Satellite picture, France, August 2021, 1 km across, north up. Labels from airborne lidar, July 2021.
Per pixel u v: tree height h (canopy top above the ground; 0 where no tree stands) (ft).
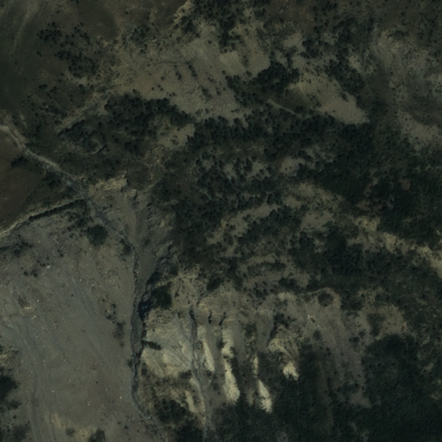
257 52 0
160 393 0
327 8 37
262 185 29
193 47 0
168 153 0
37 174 0
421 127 0
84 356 0
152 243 0
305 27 0
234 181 42
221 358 0
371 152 21
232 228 39
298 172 29
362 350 0
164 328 0
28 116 0
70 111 0
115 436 0
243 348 0
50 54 0
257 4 40
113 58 0
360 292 0
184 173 0
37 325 0
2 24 0
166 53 0
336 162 47
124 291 0
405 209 29
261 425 21
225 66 0
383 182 35
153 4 0
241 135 51
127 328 0
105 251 0
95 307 0
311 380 26
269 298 0
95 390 0
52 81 0
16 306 0
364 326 0
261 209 0
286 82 53
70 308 0
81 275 0
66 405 0
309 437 47
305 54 40
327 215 0
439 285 22
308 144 47
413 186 30
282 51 24
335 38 26
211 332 0
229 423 32
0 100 0
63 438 0
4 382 43
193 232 28
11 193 0
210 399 0
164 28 0
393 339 19
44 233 0
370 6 0
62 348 0
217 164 40
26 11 0
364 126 23
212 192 46
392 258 27
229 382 0
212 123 37
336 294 0
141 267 0
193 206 23
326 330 0
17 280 0
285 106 0
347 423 20
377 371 22
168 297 31
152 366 0
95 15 0
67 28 0
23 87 0
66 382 0
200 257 0
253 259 0
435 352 27
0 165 0
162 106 30
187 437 42
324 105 0
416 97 23
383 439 25
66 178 0
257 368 0
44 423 0
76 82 0
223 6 23
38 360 0
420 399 53
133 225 0
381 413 41
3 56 0
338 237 28
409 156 26
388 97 0
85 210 32
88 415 0
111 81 0
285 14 0
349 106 0
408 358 29
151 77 0
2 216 0
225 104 0
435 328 18
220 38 30
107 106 38
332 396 50
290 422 38
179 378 0
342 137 22
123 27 0
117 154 0
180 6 0
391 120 0
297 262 19
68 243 0
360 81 33
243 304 0
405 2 0
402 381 23
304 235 20
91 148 33
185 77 0
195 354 0
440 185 21
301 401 49
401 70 0
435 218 21
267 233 45
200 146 23
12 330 0
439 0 19
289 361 0
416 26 0
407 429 40
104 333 0
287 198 0
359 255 27
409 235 26
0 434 32
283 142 58
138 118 36
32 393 0
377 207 23
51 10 0
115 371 0
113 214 0
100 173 0
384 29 0
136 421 0
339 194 41
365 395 33
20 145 0
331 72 46
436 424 46
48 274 0
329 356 26
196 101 0
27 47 0
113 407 0
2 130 0
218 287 40
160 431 0
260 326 0
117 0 0
